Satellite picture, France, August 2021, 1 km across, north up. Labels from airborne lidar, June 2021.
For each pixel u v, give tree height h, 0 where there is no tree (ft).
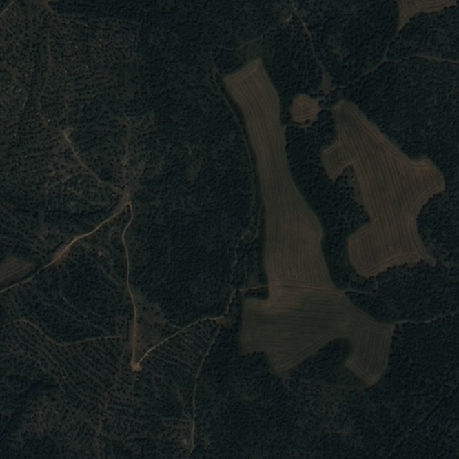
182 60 22
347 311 0
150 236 18
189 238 23
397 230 0
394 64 22
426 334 28
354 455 20
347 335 0
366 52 28
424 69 22
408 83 21
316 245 0
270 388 21
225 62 25
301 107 0
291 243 0
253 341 0
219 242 19
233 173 26
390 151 0
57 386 27
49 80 19
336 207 34
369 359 0
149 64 26
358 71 29
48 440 23
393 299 23
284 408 23
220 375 27
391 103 25
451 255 23
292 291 0
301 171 30
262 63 0
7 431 22
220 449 19
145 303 0
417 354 29
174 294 21
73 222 27
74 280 21
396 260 0
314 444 23
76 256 21
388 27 38
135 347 0
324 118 33
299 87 34
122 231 0
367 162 0
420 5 0
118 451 41
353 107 0
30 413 23
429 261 0
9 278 0
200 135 24
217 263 24
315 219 0
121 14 26
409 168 0
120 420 27
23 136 22
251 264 19
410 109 21
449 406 41
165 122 27
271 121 0
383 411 28
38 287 25
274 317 0
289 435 27
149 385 23
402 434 24
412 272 23
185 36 20
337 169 0
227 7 22
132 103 29
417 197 0
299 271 0
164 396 25
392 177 0
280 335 0
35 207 23
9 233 23
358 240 0
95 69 20
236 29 20
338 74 30
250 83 0
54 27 31
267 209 0
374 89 26
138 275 22
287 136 27
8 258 0
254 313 0
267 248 0
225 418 22
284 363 0
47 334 20
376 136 0
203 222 19
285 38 27
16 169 18
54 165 25
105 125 26
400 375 33
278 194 0
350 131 0
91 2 22
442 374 22
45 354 21
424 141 24
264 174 0
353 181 0
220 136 21
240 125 21
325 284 0
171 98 24
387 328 0
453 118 22
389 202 0
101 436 27
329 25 19
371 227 0
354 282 22
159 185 19
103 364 19
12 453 24
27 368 20
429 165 0
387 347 0
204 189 22
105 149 22
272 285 0
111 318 23
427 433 22
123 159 0
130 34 30
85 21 29
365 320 0
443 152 22
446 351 27
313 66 22
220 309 31
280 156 0
